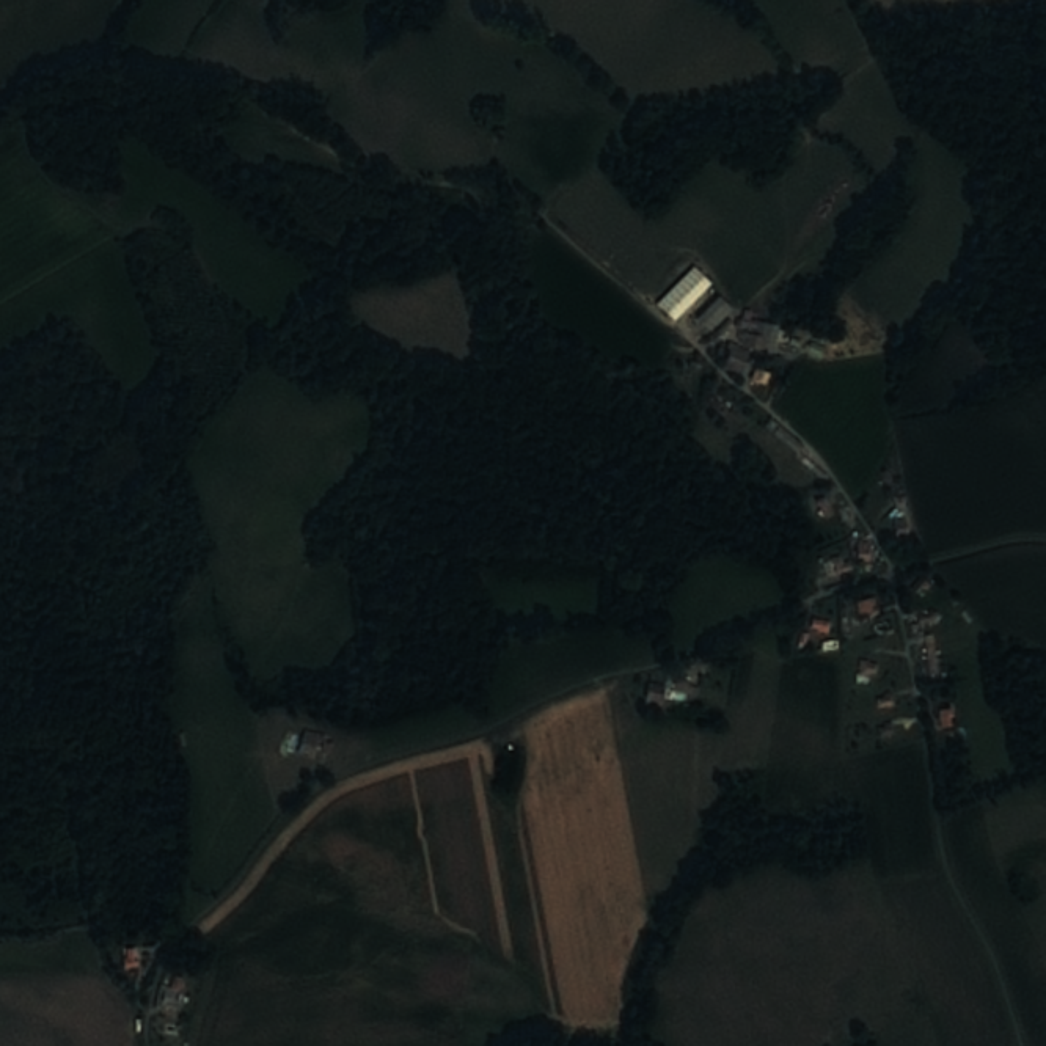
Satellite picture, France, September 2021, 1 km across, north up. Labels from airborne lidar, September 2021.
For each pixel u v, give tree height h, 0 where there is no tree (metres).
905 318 0
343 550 15
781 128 26
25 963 0
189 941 17
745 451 17
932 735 9
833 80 17
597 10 0
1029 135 22
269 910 0
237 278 0
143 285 10
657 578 27
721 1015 0
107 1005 0
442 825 0
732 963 0
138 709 23
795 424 0
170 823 25
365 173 13
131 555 11
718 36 0
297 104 21
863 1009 0
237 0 0
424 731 0
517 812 0
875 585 6
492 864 0
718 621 0
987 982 0
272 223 13
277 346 11
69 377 12
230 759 0
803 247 0
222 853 0
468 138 0
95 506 17
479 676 19
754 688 0
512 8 0
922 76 15
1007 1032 0
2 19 0
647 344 0
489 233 19
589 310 0
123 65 23
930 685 8
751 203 0
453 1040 0
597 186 0
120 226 0
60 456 17
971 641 0
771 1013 0
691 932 0
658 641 15
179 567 12
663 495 25
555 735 0
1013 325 15
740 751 0
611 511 25
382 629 22
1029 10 14
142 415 20
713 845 24
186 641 0
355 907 0
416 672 24
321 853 0
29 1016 0
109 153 22
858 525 0
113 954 0
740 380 10
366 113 0
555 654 0
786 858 20
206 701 0
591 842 0
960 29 12
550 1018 0
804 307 17
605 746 0
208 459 0
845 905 0
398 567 22
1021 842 0
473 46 0
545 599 0
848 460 0
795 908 0
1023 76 23
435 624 26
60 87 23
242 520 0
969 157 19
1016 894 10
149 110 24
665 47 0
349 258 20
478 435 31
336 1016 0
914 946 0
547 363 23
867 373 0
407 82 0
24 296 0
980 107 15
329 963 0
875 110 0
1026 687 14
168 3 0
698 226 0
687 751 0
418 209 20
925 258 0
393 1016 0
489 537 29
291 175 10
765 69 0
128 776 24
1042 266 25
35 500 16
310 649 0
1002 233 23
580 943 0
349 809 0
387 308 0
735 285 0
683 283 0
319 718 10
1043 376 19
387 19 20
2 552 20
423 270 22
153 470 18
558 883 0
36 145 16
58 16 0
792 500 19
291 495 0
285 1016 0
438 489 22
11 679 18
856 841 14
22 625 13
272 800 0
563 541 28
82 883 12
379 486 17
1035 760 21
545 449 28
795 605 14
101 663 24
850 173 0
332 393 16
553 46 7
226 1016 0
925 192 0
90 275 0
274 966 0
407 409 14
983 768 0
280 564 0
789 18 0
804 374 0
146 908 14
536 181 0
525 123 0
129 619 19
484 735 0
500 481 27
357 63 0
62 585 18
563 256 0
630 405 20
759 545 22
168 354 11
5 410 20
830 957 0
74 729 16
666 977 0
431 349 0
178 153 12
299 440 0
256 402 0
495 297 11
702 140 25
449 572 27
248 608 0
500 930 0
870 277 0
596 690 0
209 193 9
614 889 0
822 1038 0
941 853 0
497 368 16
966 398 19
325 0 21
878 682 0
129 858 19
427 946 0
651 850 0
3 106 17
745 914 0
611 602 15
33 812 7
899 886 0
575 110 0
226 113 10
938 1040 0
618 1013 0
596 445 23
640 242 0
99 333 0
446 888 0
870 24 19
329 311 13
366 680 16
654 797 0
